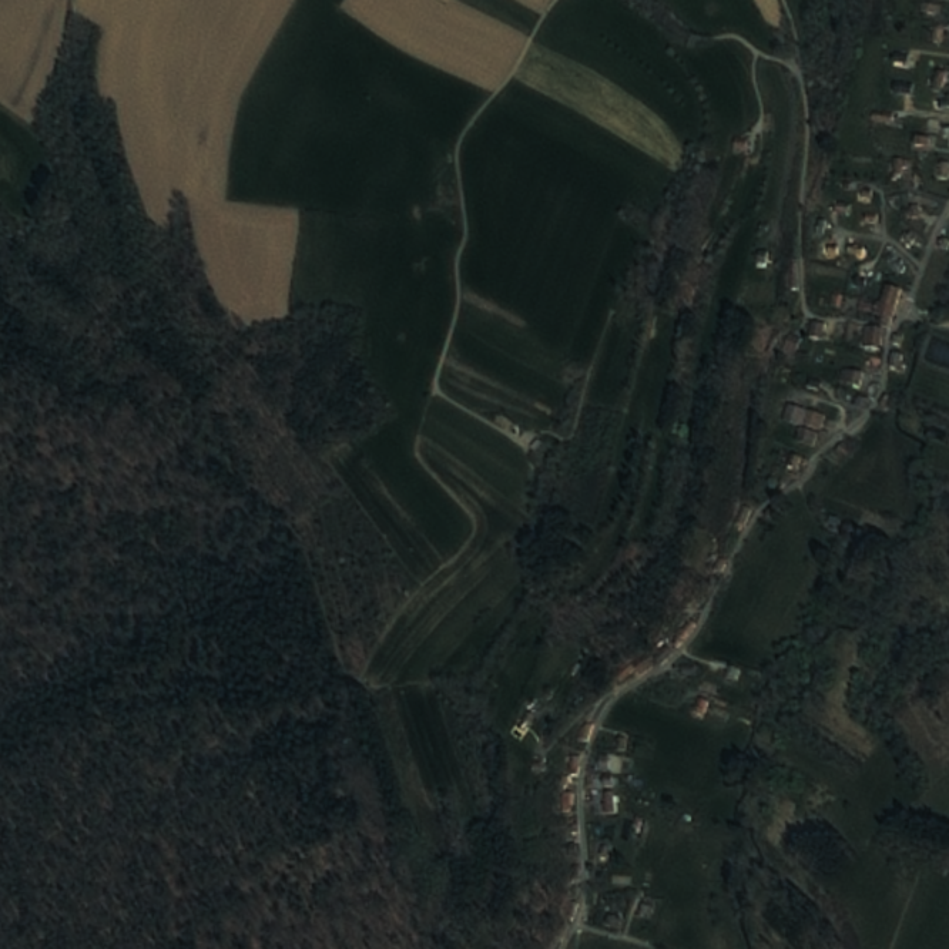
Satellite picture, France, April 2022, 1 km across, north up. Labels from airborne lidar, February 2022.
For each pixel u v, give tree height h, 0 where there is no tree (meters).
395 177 0
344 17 0
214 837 27
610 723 0
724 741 0
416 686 0
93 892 27
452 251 0
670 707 0
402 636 0
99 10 0
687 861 0
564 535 25
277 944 24
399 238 0
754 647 0
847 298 6
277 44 0
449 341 0
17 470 7
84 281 14
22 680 29
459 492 0
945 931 0
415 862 10
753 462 18
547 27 0
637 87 0
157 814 29
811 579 0
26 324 13
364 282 0
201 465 21
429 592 0
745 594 0
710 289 15
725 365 19
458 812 23
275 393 12
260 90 0
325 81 0
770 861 0
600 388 0
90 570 10
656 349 0
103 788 27
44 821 27
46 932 26
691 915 0
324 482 9
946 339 0
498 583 0
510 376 0
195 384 12
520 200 0
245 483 11
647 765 0
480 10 0
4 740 28
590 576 0
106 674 25
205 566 25
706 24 0
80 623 11
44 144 9
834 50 22
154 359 13
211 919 29
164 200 0
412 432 0
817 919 24
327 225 0
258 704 28
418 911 19
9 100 0
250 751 26
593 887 9
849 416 0
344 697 22
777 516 20
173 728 27
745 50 0
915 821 18
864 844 0
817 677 14
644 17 13
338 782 15
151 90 0
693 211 28
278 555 26
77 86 11
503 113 0
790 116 0
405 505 0
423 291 0
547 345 0
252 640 24
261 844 27
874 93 0
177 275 9
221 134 0
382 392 7
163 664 29
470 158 0
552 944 19
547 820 8
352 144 0
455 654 0
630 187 0
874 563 25
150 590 9
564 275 0
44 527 12
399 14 0
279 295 0
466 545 0
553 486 11
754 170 0
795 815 0
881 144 0
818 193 15
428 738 0
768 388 12
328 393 10
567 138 0
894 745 20
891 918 0
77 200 16
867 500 0
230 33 0
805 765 0
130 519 10
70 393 12
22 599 20
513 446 0
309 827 27
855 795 0
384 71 0
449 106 0
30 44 0
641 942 0
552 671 0
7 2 0
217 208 0
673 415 21
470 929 24
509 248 0
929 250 0
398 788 24
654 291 22
